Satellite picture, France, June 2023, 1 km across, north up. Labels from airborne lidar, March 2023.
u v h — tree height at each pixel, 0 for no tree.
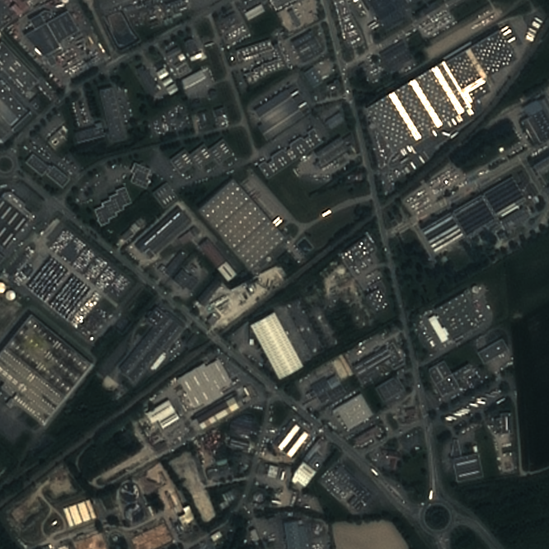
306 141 0
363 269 0
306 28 0
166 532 0
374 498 0
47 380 0
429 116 0
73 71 0
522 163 0
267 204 0
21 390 0
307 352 0
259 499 0
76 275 0
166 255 0
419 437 0
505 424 0
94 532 0
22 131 0
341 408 0
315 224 0
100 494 11
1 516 0
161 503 14
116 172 0
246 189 0
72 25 0
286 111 0
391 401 0
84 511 0
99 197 0
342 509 0
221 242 0
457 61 0
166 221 0
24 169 8
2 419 0
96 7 0
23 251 0
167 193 0
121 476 0
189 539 0
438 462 0
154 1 0
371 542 0
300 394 0
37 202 0
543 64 0
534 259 0
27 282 0
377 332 0
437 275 17
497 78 0
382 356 0
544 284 0
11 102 0
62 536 0
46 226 0
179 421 0
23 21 0
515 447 0
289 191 0
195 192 12
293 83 0
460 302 0
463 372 0
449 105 0
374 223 9
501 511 11
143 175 0
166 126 0
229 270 0
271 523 0
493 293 0
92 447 5
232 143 0
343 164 0
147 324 0
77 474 12
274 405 0
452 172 0
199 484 0
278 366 0
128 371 0
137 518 0
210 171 0
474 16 0
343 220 0
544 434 0
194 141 7
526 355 0
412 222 0
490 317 0
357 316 0
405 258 0
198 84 0
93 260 0
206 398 0
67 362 0
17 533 0
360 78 7
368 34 0
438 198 0
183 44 0
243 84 0
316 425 0
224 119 0
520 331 0
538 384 0
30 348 0
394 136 0
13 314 0
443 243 0
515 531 13
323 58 0
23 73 0
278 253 0
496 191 0
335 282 0
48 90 0
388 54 0
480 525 0
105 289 0
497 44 0
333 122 0
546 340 0
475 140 12
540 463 0
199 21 0
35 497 0
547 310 0
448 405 7
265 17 0
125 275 0
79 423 0
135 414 14
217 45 0
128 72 0
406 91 0
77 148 12
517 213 0
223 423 0
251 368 0
